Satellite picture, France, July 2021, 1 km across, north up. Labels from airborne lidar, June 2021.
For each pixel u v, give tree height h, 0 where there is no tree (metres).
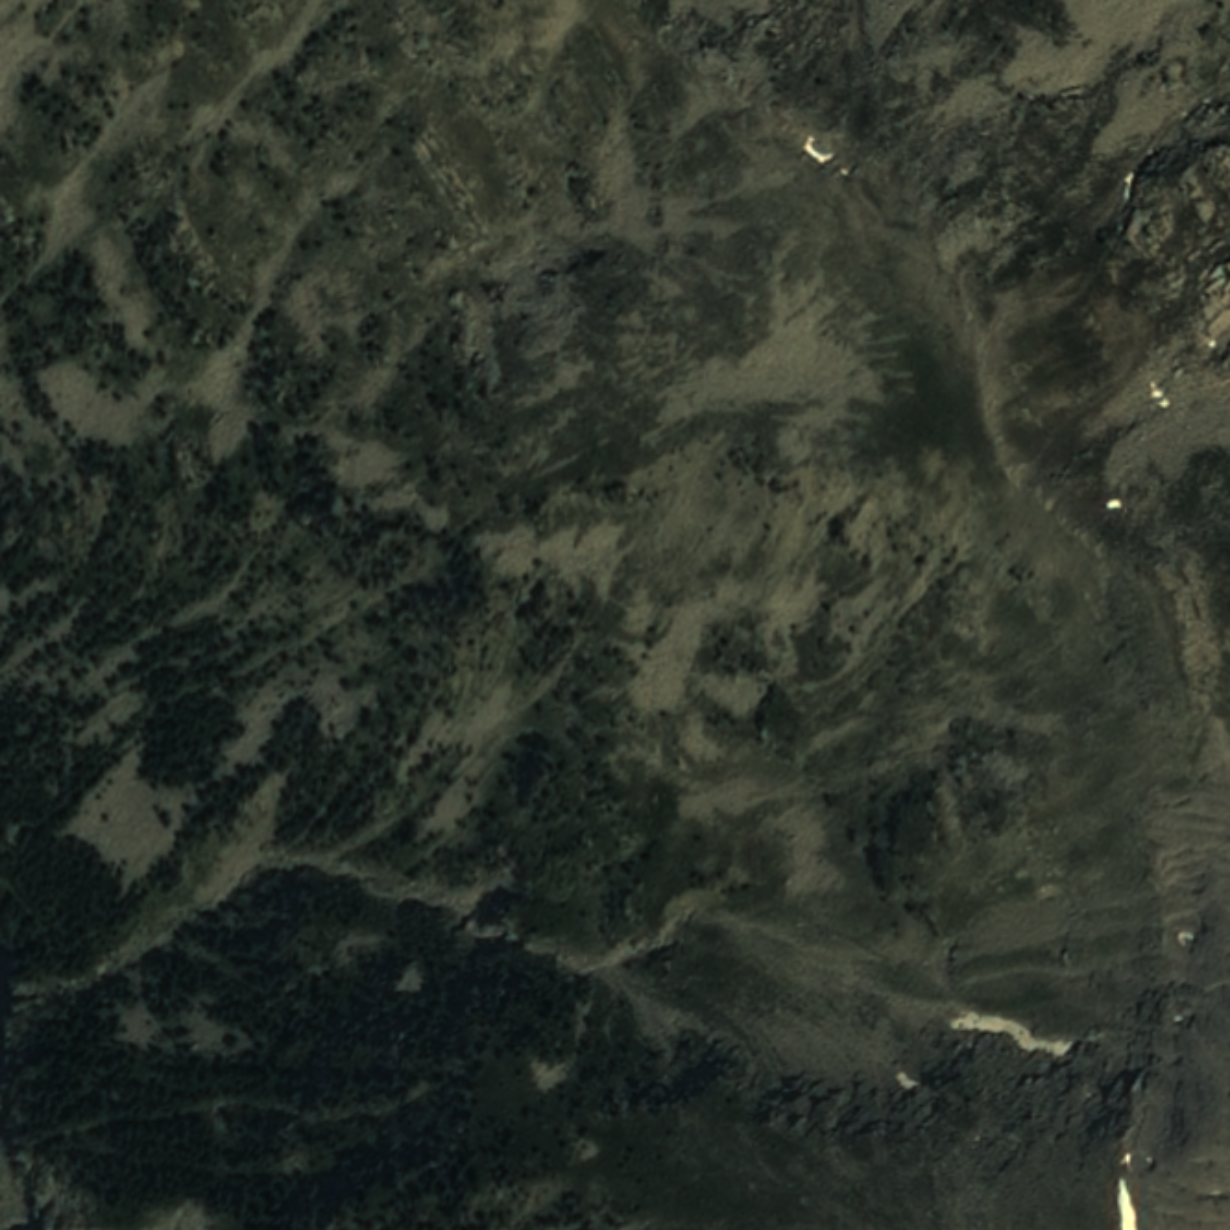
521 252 0
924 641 0
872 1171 0
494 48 0
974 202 0
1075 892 0
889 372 0
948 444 0
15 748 6
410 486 0
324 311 0
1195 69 0
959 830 0
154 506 10
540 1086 0
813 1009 0
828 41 0
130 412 0
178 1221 0
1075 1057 0
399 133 0
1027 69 0
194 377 0
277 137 0
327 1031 9
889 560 0
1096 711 0
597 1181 0
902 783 0
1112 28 0
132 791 0
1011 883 0
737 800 0
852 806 0
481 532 0
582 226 0
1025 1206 0
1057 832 0
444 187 0
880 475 0
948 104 0
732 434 0
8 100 0
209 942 14
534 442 0
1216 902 0
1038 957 0
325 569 0
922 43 0
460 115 0
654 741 0
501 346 0
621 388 0
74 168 0
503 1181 12
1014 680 0
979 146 0
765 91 0
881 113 0
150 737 12
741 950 0
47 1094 19
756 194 0
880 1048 0
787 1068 0
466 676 0
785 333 0
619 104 0
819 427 0
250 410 0
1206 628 0
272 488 13
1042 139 0
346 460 0
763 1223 0
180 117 0
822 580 0
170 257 9
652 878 0
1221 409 0
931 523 0
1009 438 0
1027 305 0
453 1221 11
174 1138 14
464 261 0
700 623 0
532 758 8
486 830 6
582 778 0
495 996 13
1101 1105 0
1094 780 0
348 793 8
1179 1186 0
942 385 0
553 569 0
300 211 0
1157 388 0
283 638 7
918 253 0
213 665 11
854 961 0
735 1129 0
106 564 7
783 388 0
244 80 0
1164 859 0
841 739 0
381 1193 0
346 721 0
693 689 0
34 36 0
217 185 0
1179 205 0
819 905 0
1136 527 0
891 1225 0
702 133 0
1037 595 0
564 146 0
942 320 0
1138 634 0
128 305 0
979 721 0
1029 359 0
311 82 0
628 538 0
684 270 0
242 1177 10
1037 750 0
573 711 0
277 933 16
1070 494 0
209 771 13
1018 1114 0
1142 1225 0
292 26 0
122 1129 16
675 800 0
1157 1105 0
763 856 0
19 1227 0
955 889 0
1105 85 0
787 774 0
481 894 0
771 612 0
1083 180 0
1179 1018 0
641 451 0
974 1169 0
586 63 0
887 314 0
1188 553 0
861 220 0
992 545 0
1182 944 0
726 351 0
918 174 0
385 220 0
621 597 0
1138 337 0
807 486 0
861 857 0
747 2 0
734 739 0
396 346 0
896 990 0
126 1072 9
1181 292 0
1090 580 0
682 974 0
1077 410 0
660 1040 0
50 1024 11
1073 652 0
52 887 9
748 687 0
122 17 0
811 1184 0
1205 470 0
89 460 9
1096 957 0
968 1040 0
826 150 0
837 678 0
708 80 0
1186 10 0
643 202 0
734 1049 0
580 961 0
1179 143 0
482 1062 11
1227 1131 0
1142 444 0
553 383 0
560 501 0
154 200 0
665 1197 0
